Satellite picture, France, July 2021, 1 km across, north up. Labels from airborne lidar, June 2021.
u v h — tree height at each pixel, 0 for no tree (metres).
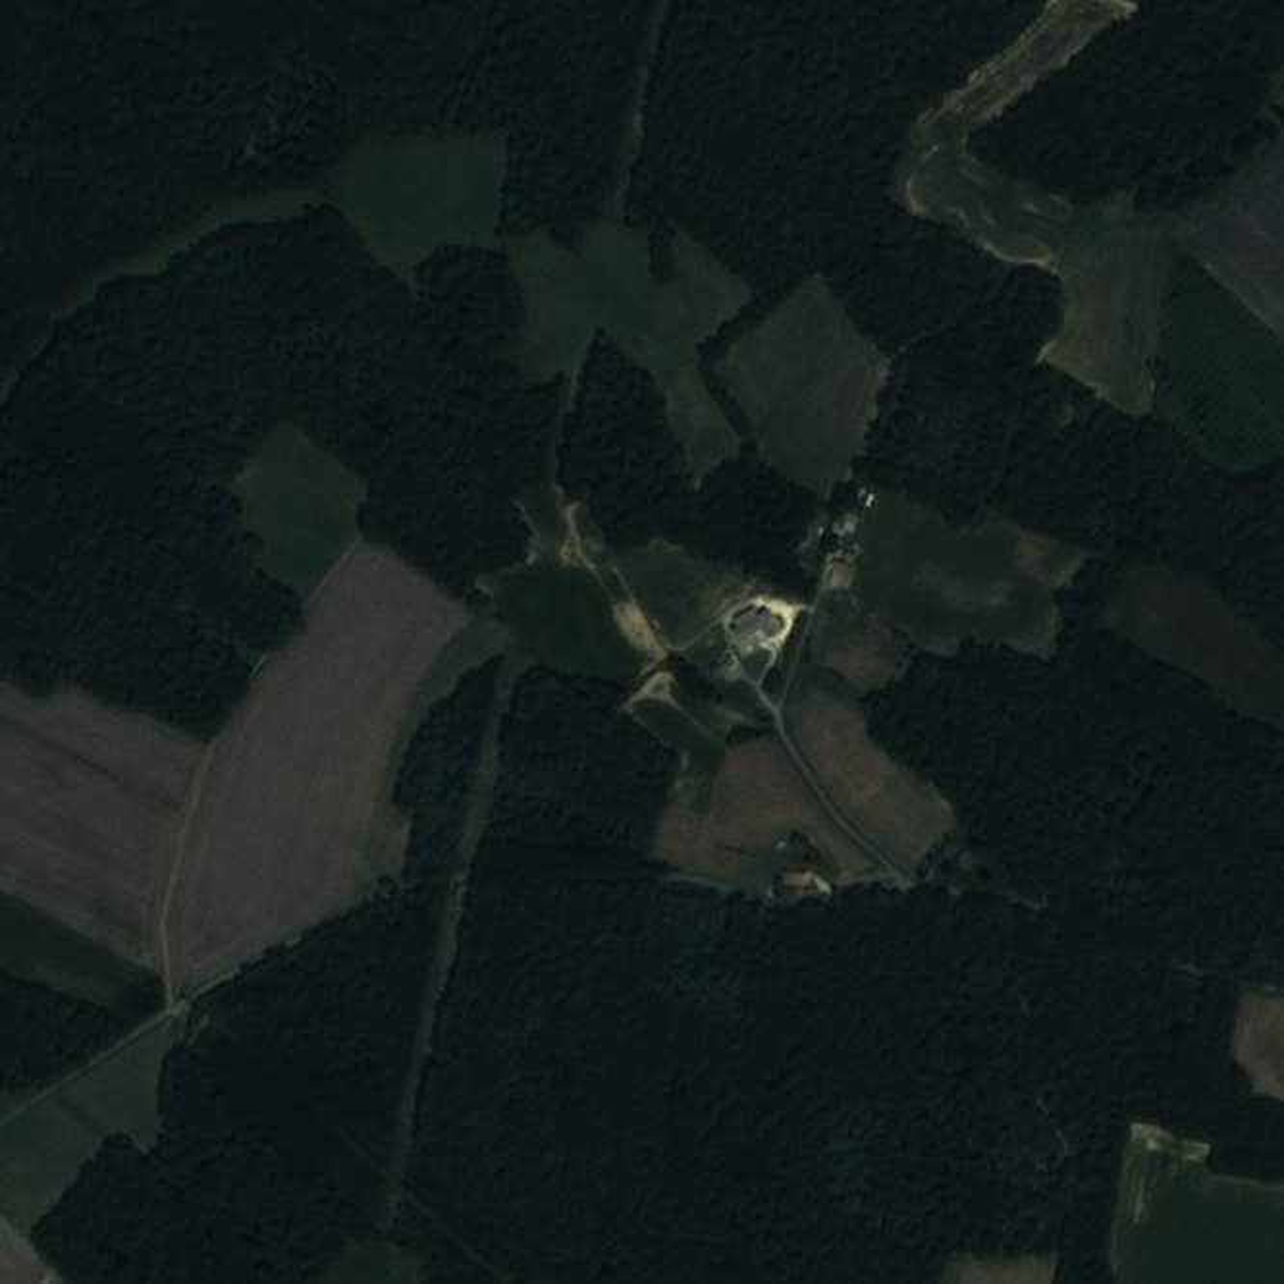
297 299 16
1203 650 0
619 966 15
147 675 23
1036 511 14
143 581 23
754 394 0
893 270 17
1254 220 0
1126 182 16
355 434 20
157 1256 21
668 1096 11
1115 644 18
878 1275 15
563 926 16
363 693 0
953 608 0
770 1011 19
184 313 25
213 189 24
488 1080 21
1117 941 17
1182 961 12
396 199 0
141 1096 0
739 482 20
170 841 0
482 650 0
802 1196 16
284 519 0
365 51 24
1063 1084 11
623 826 8
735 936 17
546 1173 19
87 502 19
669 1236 18
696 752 0
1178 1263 0
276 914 0
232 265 24
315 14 21
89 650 20
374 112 23
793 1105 18
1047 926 20
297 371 22
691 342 0
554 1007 20
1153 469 16
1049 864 18
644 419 19
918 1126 19
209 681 22
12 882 0
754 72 20
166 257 0
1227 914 16
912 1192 16
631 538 14
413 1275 0
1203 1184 0
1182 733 23
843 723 0
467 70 9
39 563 18
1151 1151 0
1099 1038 13
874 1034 17
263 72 24
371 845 0
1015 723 20
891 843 0
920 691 25
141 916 0
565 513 0
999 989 9
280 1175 23
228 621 17
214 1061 5
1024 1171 6
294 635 16
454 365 22
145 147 25
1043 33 0
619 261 0
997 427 16
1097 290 0
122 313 28
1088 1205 13
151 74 23
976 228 0
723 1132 17
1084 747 17
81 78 29
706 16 15
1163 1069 12
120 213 21
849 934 17
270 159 16
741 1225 19
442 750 22
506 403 26
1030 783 14
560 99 21
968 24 16
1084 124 9
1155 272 0
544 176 19
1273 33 12
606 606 0
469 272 22
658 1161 20
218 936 0
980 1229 21
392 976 19
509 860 14
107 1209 20
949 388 16
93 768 0
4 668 22
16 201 18
